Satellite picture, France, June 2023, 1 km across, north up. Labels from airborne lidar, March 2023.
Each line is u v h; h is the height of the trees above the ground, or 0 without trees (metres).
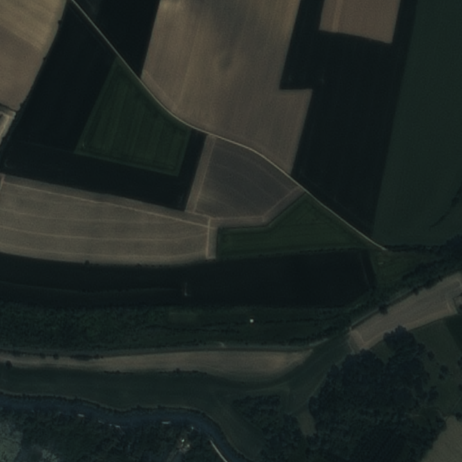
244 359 0
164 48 0
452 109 0
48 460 0
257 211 0
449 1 0
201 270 0
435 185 0
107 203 0
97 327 9
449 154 0
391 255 0
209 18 0
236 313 0
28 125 0
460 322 0
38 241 0
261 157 0
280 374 0
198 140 0
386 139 0
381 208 0
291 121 0
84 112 0
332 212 0
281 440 26
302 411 0
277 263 0
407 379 33
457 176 0
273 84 0
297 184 0
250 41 0
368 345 0
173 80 0
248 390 0
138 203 0
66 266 0
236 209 0
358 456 11
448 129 0
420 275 17
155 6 0
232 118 0
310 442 22
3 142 7
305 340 10
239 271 0
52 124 0
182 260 0
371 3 0
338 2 0
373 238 0
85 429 8
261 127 0
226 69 0
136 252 0
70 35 0
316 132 0
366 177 0
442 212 0
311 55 0
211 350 0
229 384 0
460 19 0
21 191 0
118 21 0
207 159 0
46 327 14
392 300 0
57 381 0
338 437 10
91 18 0
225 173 0
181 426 22
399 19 0
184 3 0
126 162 0
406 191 0
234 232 0
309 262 0
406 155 0
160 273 0
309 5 0
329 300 0
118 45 0
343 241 0
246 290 0
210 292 0
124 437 8
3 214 0
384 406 0
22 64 0
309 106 0
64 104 0
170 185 0
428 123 0
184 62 0
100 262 0
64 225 0
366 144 0
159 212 0
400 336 33
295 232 0
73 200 0
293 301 0
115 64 0
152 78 0
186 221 0
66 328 11
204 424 0
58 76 0
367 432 10
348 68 0
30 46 0
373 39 0
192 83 0
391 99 0
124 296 0
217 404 0
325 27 0
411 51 0
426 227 0
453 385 0
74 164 0
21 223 0
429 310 0
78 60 0
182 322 0
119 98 0
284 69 0
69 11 0
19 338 9
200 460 8
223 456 0
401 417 17
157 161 0
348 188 0
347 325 14
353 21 0
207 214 0
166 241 0
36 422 6
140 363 0
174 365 0
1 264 0
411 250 8
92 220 0
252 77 0
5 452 0
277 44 0
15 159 0
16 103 0
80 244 0
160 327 6
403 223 0
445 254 12
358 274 0
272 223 0
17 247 0
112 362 0
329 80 0
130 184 0
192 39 0
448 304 0
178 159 0
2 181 0
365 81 0
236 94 0
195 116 0
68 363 0
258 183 0
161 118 0
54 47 0
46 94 0
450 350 0
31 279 0
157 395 0
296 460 0
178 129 0
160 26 0
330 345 0
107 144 0
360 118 0
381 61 0
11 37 0
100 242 0
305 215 0
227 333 8
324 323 6
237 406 9
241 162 0
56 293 0
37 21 0
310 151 0
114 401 0
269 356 0
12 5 0
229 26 0
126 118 0
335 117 0
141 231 0
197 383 0
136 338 5
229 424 0
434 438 16
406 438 8
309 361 0
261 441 0
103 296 0
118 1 0
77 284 0
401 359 12
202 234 0
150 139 0
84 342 10
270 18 0
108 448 11
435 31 0
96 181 0
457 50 0
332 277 0
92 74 0
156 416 0
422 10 0
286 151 0
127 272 0
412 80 0
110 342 7
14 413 20
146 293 0
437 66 0
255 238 0
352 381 37
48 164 0
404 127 0
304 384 0
